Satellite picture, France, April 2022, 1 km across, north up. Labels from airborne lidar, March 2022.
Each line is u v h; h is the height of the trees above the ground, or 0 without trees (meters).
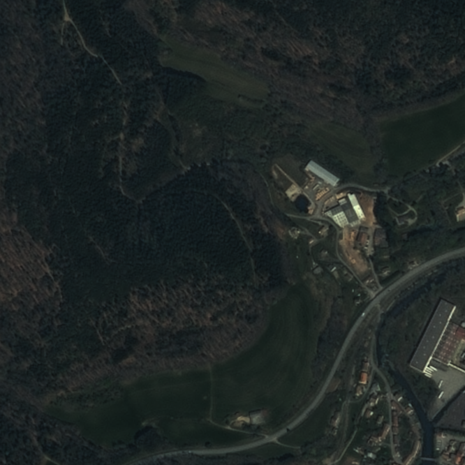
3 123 18
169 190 14
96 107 14
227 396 0
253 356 0
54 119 21
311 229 0
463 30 11
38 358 28
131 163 26
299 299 0
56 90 15
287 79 26
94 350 8
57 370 7
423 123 0
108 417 0
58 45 16
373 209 0
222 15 5
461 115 0
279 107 25
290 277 30
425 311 0
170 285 9
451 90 15
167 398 0
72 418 0
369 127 24
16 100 26
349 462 0
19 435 21
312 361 0
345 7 10
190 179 17
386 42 10
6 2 20
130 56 18
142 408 0
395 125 0
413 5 13
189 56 0
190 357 21
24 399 27
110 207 19
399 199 22
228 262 19
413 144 0
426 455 0
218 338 27
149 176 27
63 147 17
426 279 16
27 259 20
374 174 0
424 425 0
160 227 11
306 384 0
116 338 10
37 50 20
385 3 6
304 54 29
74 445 30
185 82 36
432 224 19
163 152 32
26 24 22
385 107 26
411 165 0
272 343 0
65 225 8
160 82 29
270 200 27
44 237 10
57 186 14
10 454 20
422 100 14
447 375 0
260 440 0
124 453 20
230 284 16
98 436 0
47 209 8
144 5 26
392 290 0
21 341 30
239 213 14
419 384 16
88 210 17
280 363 0
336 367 0
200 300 25
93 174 21
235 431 0
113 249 10
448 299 0
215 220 17
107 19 22
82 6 20
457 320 0
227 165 24
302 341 0
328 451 23
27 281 28
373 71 23
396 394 0
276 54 15
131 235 10
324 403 0
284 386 0
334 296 0
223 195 13
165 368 23
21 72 21
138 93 14
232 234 18
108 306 8
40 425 34
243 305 7
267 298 29
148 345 9
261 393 0
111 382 26
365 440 0
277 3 9
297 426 0
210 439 0
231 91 0
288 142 16
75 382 25
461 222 0
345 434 0
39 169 9
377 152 26
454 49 15
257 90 0
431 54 12
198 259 8
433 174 20
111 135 8
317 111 29
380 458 7
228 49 6
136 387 0
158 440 28
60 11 14
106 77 12
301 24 14
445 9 13
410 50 22
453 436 0
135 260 13
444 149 0
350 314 0
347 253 0
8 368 15
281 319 0
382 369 13
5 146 11
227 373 0
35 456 15
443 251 21
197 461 27
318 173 0
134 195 22
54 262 20
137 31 33
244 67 19
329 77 13
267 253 17
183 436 0
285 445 0
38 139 11
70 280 9
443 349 0
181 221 14
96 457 23
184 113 7
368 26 10
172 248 11
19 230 23
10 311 20
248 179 28
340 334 28
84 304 9
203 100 8
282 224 29
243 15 28
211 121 8
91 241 6
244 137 17
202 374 0
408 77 30
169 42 0
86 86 15
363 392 0
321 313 0
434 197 21
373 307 0
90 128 14
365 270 0
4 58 20
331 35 11
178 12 12
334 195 0
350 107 25
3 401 25
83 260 9
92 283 10
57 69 21
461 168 16
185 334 12
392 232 22
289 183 0
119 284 7
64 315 11
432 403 18
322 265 7
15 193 11
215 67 0
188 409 0
